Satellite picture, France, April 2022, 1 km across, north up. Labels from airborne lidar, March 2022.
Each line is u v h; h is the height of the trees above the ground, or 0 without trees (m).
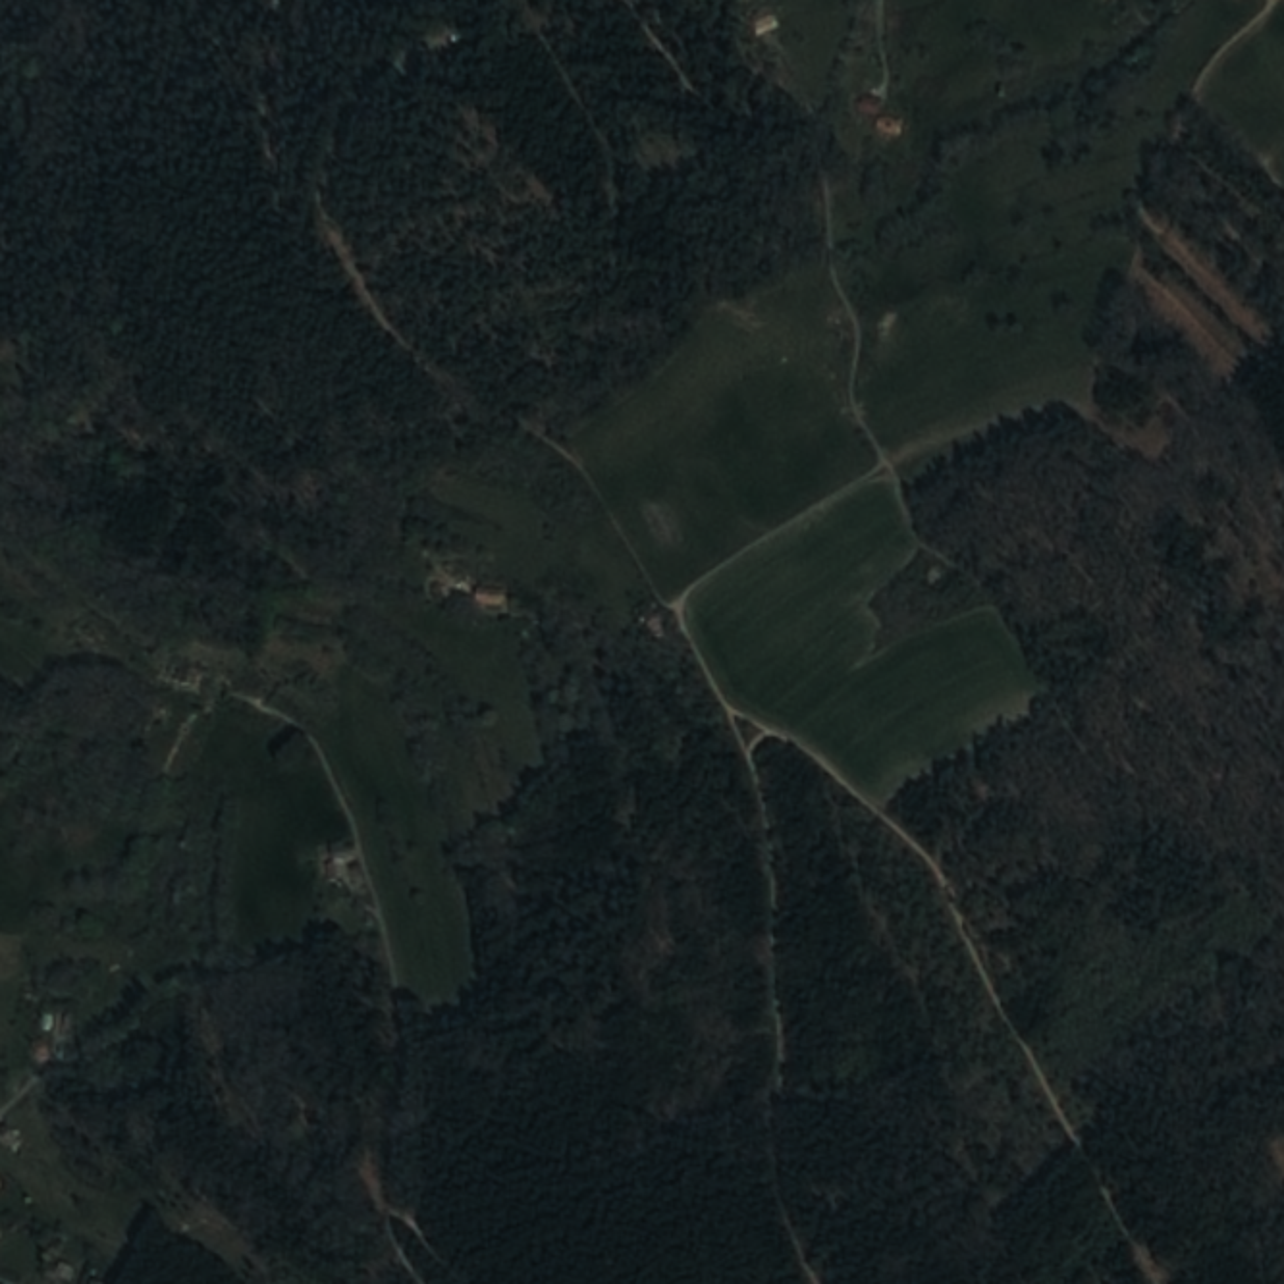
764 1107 9
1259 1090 20
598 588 0
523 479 13
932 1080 17
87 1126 22
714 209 24
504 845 16
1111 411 7
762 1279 19
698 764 7
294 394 24
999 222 0
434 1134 26
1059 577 22
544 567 0
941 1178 8
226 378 23
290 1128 31
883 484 0
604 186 15
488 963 21
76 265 24
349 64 23
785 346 0
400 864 11
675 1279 20
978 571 14
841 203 0
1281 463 27
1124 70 12
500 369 22
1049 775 23
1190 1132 19
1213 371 28
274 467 23
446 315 19
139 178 21
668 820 6
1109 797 22
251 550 27
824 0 0
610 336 22
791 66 0
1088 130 18
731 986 8
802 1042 9
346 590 24
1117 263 0
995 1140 11
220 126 26
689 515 0
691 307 31
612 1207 20
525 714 0
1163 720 22
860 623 0
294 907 0
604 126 13
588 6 8
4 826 0
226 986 24
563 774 19
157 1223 20
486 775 0
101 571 24
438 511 19
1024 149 0
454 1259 19
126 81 20
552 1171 22
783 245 28
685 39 13
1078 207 0
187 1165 23
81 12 28
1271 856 21
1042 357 0
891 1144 25
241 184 17
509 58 12
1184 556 31
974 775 19
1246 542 38
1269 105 0
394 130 23
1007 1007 9
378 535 30
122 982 0
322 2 29
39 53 26
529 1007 21
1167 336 24
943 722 0
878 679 0
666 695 11
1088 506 26
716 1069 9
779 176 25
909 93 0
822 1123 19
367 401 26
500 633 0
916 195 0
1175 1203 18
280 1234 17
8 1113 0
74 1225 0
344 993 21
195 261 22
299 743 21
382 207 11
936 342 0
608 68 15
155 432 27
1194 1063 23
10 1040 0
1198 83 0
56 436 26
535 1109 23
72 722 25
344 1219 28
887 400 0
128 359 23
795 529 0
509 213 18
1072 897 15
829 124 11
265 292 19
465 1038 28
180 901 17
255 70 27
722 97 9
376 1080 13
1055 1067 10
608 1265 27
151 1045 17
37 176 31
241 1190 22
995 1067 10
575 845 12
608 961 23
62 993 17
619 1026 17
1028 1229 22
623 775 17
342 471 30
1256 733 28
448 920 0
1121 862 21
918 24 0
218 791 10
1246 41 0
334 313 24
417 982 0
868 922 9
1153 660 23
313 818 0
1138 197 8
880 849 10
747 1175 18
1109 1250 9
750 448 0
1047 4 0
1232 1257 10
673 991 10
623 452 0
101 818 16
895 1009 8
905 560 0
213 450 28
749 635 0
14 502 27
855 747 0
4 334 23
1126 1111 24
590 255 25
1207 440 32
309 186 21
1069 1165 22
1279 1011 21
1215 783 26
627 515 0
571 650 16
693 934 7
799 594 0
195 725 0
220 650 12
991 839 24
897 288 0
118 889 23
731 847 11
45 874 0
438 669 13
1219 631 32
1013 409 0
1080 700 20
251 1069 32
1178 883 20
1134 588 24
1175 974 10
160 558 7
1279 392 28
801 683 0
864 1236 20
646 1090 7
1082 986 8
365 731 0
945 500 21
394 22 28
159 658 16
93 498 15
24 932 0
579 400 26
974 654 0
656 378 22
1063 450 25
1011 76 22
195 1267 22
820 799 9
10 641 0
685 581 0
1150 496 29
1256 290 31
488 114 12
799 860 7
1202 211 25
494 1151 19
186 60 21
